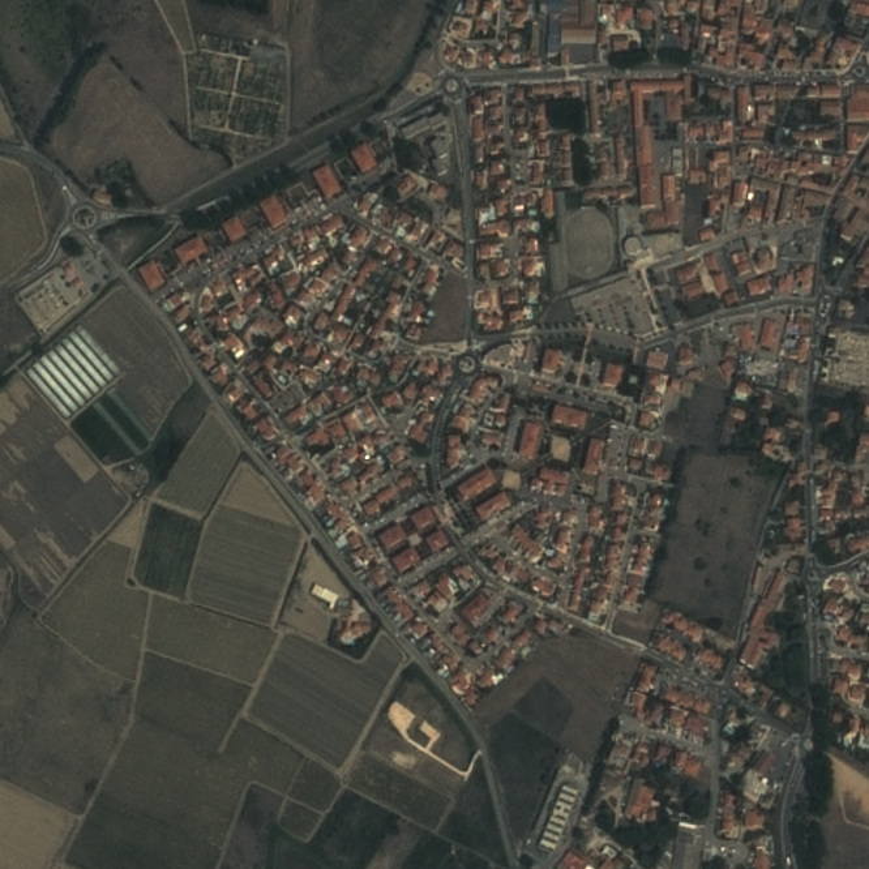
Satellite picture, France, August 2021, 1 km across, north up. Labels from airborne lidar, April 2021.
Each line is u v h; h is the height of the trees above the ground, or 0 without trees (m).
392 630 0
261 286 6
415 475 6
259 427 0
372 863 0
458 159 0
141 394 0
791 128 5
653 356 0
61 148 0
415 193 0
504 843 0
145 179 0
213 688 0
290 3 0
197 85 0
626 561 0
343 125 0
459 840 0
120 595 0
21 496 0
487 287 9
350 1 0
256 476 0
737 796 13
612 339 0
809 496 0
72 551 0
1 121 0
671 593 0
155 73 0
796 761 0
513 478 0
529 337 0
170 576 0
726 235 0
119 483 0
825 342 8
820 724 21
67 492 0
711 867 11
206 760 0
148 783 0
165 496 0
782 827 0
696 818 15
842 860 0
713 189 0
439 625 0
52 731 0
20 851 0
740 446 9
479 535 0
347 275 0
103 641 0
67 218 0
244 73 0
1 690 0
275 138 0
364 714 0
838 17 14
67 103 12
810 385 0
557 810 0
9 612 0
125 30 0
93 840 0
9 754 0
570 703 0
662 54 12
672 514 8
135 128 0
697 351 0
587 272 0
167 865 0
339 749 0
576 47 0
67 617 0
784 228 0
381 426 0
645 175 0
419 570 0
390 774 0
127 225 10
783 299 0
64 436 0
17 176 0
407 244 0
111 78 0
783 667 13
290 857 0
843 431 11
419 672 6
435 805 0
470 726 0
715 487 0
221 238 6
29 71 0
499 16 0
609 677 0
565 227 0
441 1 9
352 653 12
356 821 0
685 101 0
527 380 0
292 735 0
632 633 0
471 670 0
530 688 0
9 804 0
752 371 0
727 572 5
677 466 11
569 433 6
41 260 0
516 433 0
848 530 9
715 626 8
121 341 0
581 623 0
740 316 0
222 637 0
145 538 0
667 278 0
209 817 0
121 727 0
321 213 0
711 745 0
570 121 13
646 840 16
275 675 0
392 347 0
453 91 0
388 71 0
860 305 7
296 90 0
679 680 0
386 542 0
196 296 0
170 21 0
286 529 0
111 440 0
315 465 0
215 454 0
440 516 0
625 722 0
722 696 0
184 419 0
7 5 0
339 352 0
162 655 0
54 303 0
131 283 0
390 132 0
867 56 0
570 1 0
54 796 0
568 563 0
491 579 0
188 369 0
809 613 0
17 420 0
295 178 22
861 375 0
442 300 0
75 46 9
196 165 0
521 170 0
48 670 0
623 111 0
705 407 0
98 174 12
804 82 0
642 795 0
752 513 0
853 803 0
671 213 0
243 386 0
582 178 15
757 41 0
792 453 9
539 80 0
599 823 10
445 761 0
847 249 10
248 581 0
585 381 6
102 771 0
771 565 0
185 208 0
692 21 8
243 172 0
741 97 0
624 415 6
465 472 0
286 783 0
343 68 0
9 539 0
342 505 0
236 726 0
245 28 0
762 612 0
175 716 0
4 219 0
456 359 0
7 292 0
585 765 0
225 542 0
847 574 0
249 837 0
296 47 0
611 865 0
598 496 0
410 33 0
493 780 0
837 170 0
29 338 0
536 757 0
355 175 6
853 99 0
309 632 0
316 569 0
